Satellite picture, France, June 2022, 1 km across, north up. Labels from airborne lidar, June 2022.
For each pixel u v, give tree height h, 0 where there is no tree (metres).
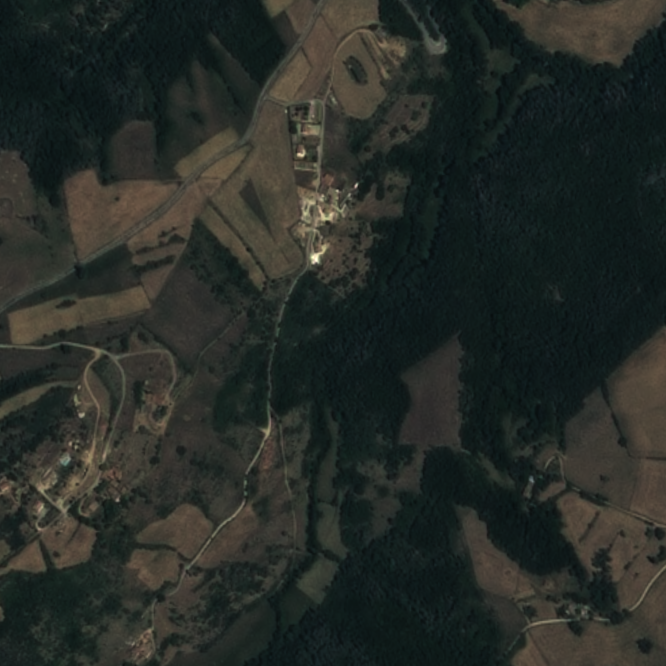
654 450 0
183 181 0
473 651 17
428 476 13
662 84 18
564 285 9
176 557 0
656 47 16
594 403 0
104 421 0
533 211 12
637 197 11
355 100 0
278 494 0
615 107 26
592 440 0
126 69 19
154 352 0
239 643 0
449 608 11
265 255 0
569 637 0
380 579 21
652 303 12
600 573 13
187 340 0
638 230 11
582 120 15
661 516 0
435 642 8
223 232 0
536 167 15
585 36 0
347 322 18
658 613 0
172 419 0
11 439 8
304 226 0
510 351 14
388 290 21
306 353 9
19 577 6
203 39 12
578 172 10
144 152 0
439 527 11
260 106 0
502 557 0
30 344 0
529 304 7
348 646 21
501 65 0
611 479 0
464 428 9
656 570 0
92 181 0
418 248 27
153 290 0
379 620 6
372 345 12
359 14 0
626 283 15
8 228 0
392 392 10
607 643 0
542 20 0
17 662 6
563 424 7
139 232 0
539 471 7
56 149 15
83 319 0
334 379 13
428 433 0
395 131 10
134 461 0
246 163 0
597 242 11
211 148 0
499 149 13
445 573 14
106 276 0
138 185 0
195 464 9
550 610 0
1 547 0
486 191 25
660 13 0
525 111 18
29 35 9
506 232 14
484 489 8
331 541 0
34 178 11
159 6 13
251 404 7
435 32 13
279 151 0
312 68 0
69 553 0
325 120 0
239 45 7
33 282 0
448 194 17
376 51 0
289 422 0
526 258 10
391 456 9
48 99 16
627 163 14
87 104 19
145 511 0
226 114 0
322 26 0
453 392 0
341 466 10
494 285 16
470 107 16
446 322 11
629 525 0
